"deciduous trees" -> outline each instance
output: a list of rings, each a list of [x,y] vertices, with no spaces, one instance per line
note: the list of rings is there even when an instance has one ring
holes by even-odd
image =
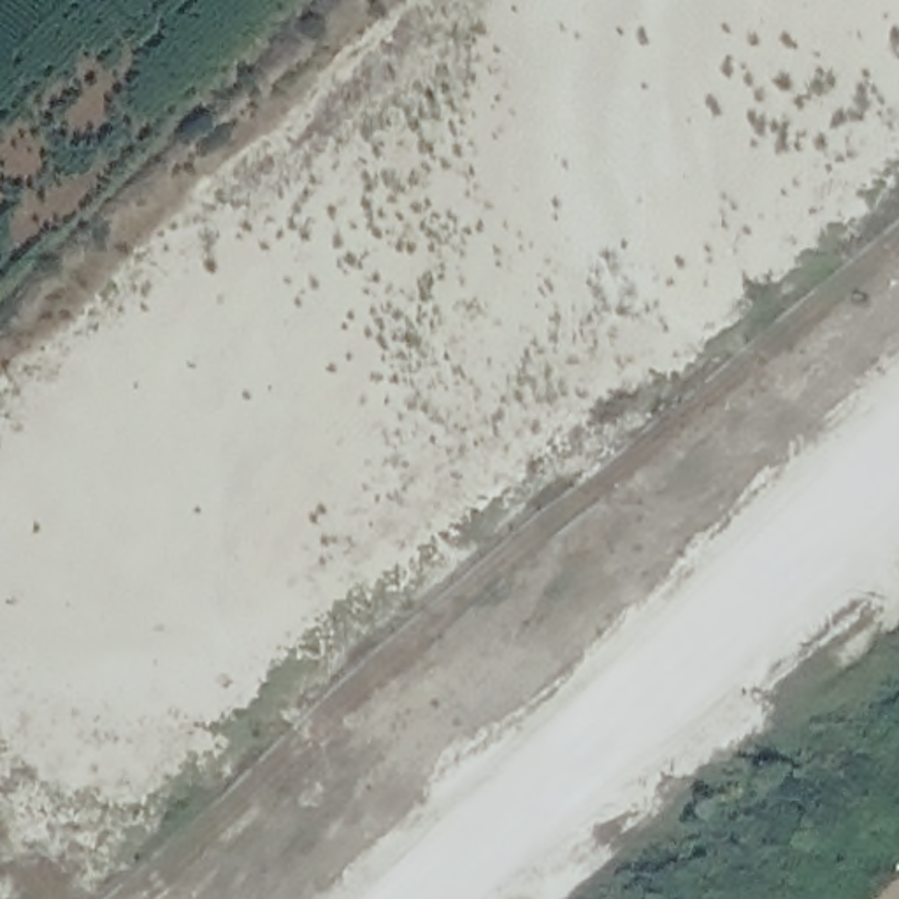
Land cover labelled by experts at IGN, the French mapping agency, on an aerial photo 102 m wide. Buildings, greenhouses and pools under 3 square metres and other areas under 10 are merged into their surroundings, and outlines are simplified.
[[[752,737],[744,737],[730,752],[720,752],[692,776],[692,790],[681,804],[681,822],[692,822],[695,815],[713,818],[720,808],[737,801],[741,808],[759,804],[787,776],[797,776],[797,762],[794,755],[762,748]]]

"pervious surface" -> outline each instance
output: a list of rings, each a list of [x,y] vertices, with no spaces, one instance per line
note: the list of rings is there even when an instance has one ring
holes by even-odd
[[[14,839],[42,839],[46,825],[95,822],[98,811],[53,811],[53,801],[32,783],[18,787],[14,794],[0,794],[0,822]]]
[[[766,730],[766,713],[755,699],[741,699],[737,688],[776,688],[787,674],[794,674],[794,667],[801,664],[801,643],[836,608],[864,601],[867,608],[874,608],[874,618],[881,618],[888,629],[899,625],[899,355],[881,358],[881,372],[867,372],[864,386],[829,411],[825,435],[818,442],[811,442],[801,457],[790,457],[783,467],[762,467],[741,492],[741,513],[730,520],[730,527],[723,534],[699,534],[688,544],[688,551],[671,565],[667,579],[643,604],[629,608],[611,625],[611,632],[583,653],[576,671],[558,681],[551,702],[544,702],[537,713],[516,709],[506,720],[481,727],[474,737],[446,744],[432,766],[425,804],[411,808],[407,818],[393,832],[386,832],[369,853],[362,853],[344,871],[344,878],[320,899],[569,899],[590,874],[597,874],[611,860],[611,846],[597,843],[593,829],[618,818],[622,811],[643,811],[646,818],[653,818],[660,811],[660,776],[692,776],[720,752],[730,752],[744,737],[752,737]]]
[[[439,126],[435,119],[425,119],[421,130],[407,130],[404,112],[393,109],[386,116],[386,130],[376,130],[341,147],[337,172],[330,169],[327,151],[313,162],[320,176],[316,193],[309,193],[306,183],[288,183],[284,197],[274,207],[260,207],[253,221],[242,221],[235,207],[221,207],[218,214],[211,214],[211,221],[162,232],[172,253],[147,253],[140,260],[144,277],[151,281],[147,313],[137,309],[137,295],[123,295],[123,316],[102,316],[98,334],[70,337],[60,327],[46,341],[35,341],[32,351],[21,351],[0,376],[0,780],[14,766],[32,766],[42,780],[60,783],[67,794],[95,787],[112,804],[140,804],[147,801],[147,794],[169,783],[169,776],[179,776],[186,755],[218,755],[228,744],[228,737],[211,734],[211,723],[228,716],[232,709],[249,706],[267,671],[288,657],[288,646],[302,643],[302,636],[323,615],[330,615],[330,608],[341,597],[348,597],[348,590],[376,586],[376,579],[386,569],[414,562],[421,544],[432,541],[432,534],[442,534],[446,527],[460,523],[471,509],[485,509],[495,495],[520,485],[527,474],[527,460],[548,453],[548,442],[565,442],[569,432],[590,418],[590,411],[608,393],[632,390],[653,379],[657,372],[685,372],[709,337],[741,320],[737,298],[744,295],[744,281],[783,277],[787,270],[794,270],[804,249],[818,246],[825,225],[864,218],[867,204],[860,200],[860,190],[867,190],[878,179],[878,169],[899,155],[899,0],[492,0],[485,11],[485,35],[474,42],[474,84],[464,105],[467,126],[460,133],[450,133],[450,126]]]

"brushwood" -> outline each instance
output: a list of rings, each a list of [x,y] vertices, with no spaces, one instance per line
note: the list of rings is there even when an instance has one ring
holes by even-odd
[[[225,147],[235,133],[235,123],[218,123],[204,105],[190,109],[179,119],[176,130],[183,140],[193,140],[207,155]]]
[[[639,860],[611,860],[597,874],[590,874],[569,899],[899,899],[899,625],[888,629],[874,636],[857,660],[843,664],[818,685],[804,685],[804,709],[811,716],[801,723],[801,730],[808,734],[811,759],[797,762],[797,776],[787,776],[759,804],[741,808],[737,801],[720,808],[713,818],[695,815],[692,822],[681,822],[678,853],[664,853],[650,843]]]

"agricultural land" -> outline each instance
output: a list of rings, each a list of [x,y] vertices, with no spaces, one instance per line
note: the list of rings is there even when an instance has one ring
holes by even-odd
[[[239,63],[256,60],[267,49],[267,39],[281,28],[281,21],[302,14],[298,0],[0,0],[0,281],[14,274],[14,267],[39,242],[32,232],[56,214],[74,211],[84,193],[84,183],[123,151],[123,144],[137,137],[140,126],[151,126],[151,133],[158,133],[165,116],[179,119],[190,109],[204,105],[211,102],[214,88],[235,81]]]

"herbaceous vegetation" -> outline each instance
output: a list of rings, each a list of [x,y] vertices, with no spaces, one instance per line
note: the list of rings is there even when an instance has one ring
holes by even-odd
[[[74,211],[56,214],[32,232],[39,242],[14,267],[14,274],[0,281],[0,376],[21,351],[32,351],[35,341],[46,341],[60,327],[70,337],[98,334],[102,316],[123,316],[123,295],[137,295],[137,309],[147,313],[151,281],[144,277],[140,260],[147,253],[172,253],[162,232],[211,221],[211,214],[218,214],[221,207],[235,207],[242,221],[253,221],[260,207],[274,207],[284,197],[288,183],[306,183],[309,193],[316,193],[320,176],[313,162],[327,151],[330,169],[337,172],[341,147],[376,130],[386,130],[386,116],[393,109],[404,112],[407,130],[421,130],[425,119],[435,119],[439,126],[450,126],[450,133],[460,133],[467,126],[464,105],[474,84],[474,42],[485,35],[485,11],[492,0],[298,0],[302,14],[281,21],[281,28],[267,39],[267,49],[256,60],[239,63],[235,81],[214,88],[211,102],[204,105],[218,123],[235,123],[235,133],[225,147],[207,155],[193,140],[183,140],[176,130],[179,119],[165,116],[158,133],[151,133],[151,126],[140,126],[137,137],[123,144],[123,151],[84,183],[84,193]]]
[[[376,586],[348,590],[348,597],[341,597],[330,608],[330,615],[323,615],[302,636],[302,643],[288,646],[288,657],[267,671],[249,706],[232,709],[228,716],[211,723],[211,734],[228,737],[228,744],[218,755],[186,755],[179,776],[169,776],[169,783],[147,794],[147,801],[140,804],[112,804],[95,787],[67,794],[60,783],[42,780],[32,766],[14,766],[0,780],[0,794],[14,794],[18,787],[32,783],[53,801],[53,811],[98,811],[95,822],[46,825],[42,839],[14,839],[0,822],[0,899],[320,899],[344,878],[344,871],[362,853],[369,853],[386,832],[393,832],[407,818],[411,808],[425,804],[432,766],[446,744],[474,737],[481,727],[506,720],[516,709],[537,713],[544,702],[551,702],[558,681],[576,671],[583,653],[611,632],[611,625],[629,608],[643,604],[667,579],[671,565],[688,551],[688,544],[699,534],[723,534],[730,527],[730,520],[741,513],[741,492],[762,467],[783,467],[790,457],[801,457],[811,442],[818,442],[825,435],[829,411],[864,386],[867,372],[881,372],[881,358],[899,355],[899,155],[878,169],[878,179],[867,190],[860,190],[860,200],[867,204],[864,218],[825,225],[818,246],[804,249],[794,270],[787,270],[783,277],[744,281],[744,295],[737,298],[741,320],[709,337],[685,372],[657,372],[653,379],[632,390],[608,393],[590,411],[590,418],[569,432],[565,442],[548,442],[548,453],[527,460],[527,474],[520,485],[495,495],[485,509],[471,509],[460,523],[446,527],[442,534],[432,534],[432,541],[421,544],[414,562],[386,569],[376,579]]]
[[[639,860],[650,843],[664,853],[678,853],[681,822],[681,804],[692,790],[692,776],[660,776],[660,811],[653,818],[646,818],[643,811],[622,811],[618,818],[593,829],[597,843],[611,846],[611,860]]]
[[[801,643],[801,664],[794,667],[794,674],[787,674],[776,688],[737,688],[741,699],[755,699],[766,713],[766,730],[752,737],[762,748],[794,755],[797,762],[811,759],[808,734],[801,730],[801,723],[811,716],[804,709],[804,685],[818,685],[843,664],[857,660],[874,636],[888,629],[881,618],[874,618],[874,608],[867,608],[864,601],[836,608]]]

